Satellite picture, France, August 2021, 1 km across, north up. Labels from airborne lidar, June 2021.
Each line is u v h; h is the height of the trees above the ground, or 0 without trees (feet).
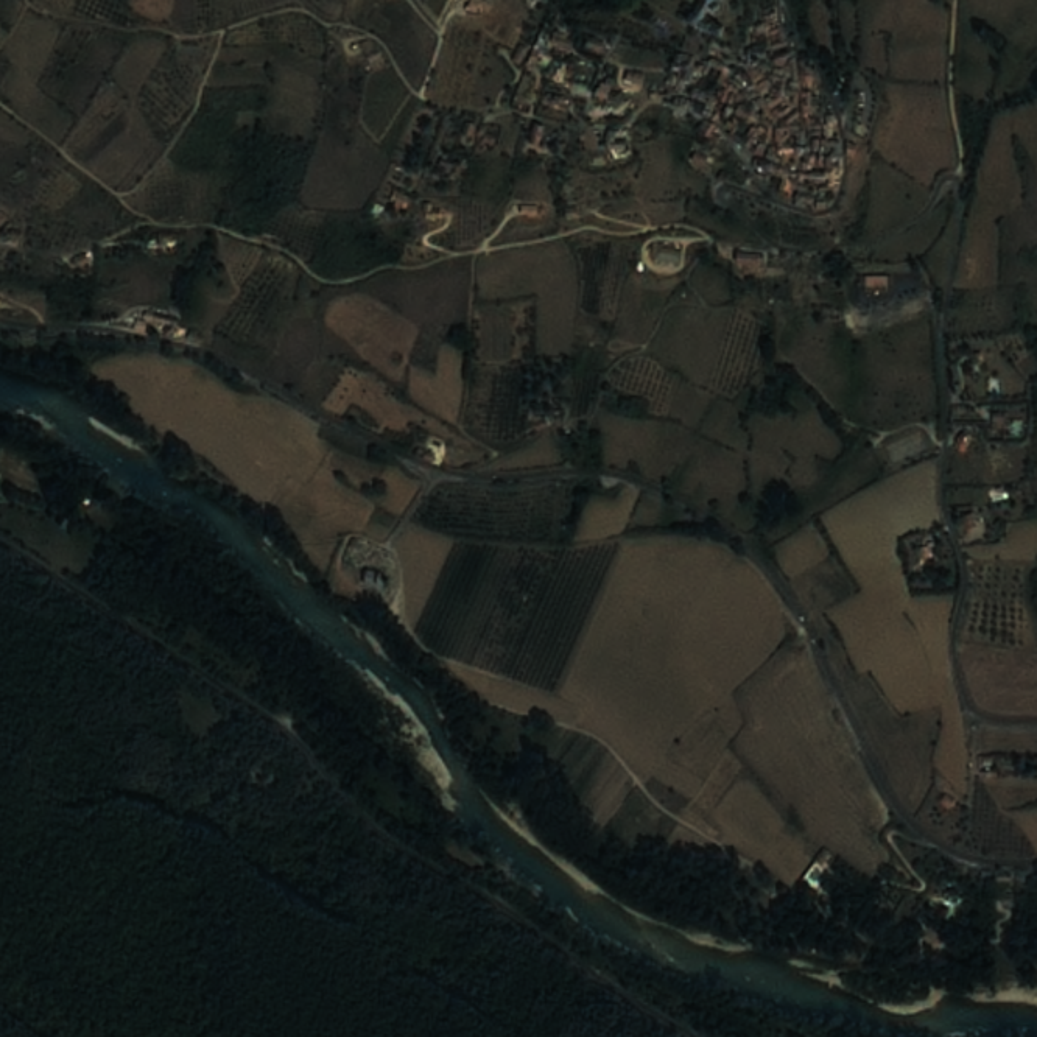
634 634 0
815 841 0
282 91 0
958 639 0
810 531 0
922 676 0
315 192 0
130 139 0
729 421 0
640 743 0
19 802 28
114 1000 37
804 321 0
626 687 0
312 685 52
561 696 0
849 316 0
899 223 0
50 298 28
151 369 0
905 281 0
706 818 0
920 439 0
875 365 0
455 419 0
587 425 29
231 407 0
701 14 0
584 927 28
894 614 0
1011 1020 0
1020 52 0
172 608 24
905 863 0
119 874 37
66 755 30
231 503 61
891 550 0
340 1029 36
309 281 0
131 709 46
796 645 0
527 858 0
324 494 0
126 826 28
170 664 50
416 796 48
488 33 0
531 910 32
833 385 0
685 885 52
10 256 21
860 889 20
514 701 0
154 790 30
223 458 0
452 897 38
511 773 26
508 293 0
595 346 0
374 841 44
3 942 30
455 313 0
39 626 38
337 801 46
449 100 0
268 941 29
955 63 32
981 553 0
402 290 0
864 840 0
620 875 48
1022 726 0
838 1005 0
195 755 47
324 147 0
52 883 35
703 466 0
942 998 0
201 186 0
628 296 0
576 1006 42
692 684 0
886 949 30
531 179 0
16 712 26
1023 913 55
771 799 0
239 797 19
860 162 0
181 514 37
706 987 43
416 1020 31
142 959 33
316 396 0
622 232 0
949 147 0
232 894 30
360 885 64
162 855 43
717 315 0
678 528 31
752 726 0
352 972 32
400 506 0
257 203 21
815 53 33
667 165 0
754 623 0
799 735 0
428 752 0
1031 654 0
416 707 0
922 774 0
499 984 68
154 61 0
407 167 40
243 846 22
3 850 36
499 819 0
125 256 20
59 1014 30
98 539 31
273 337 0
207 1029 35
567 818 137
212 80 0
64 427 0
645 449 0
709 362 0
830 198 34
